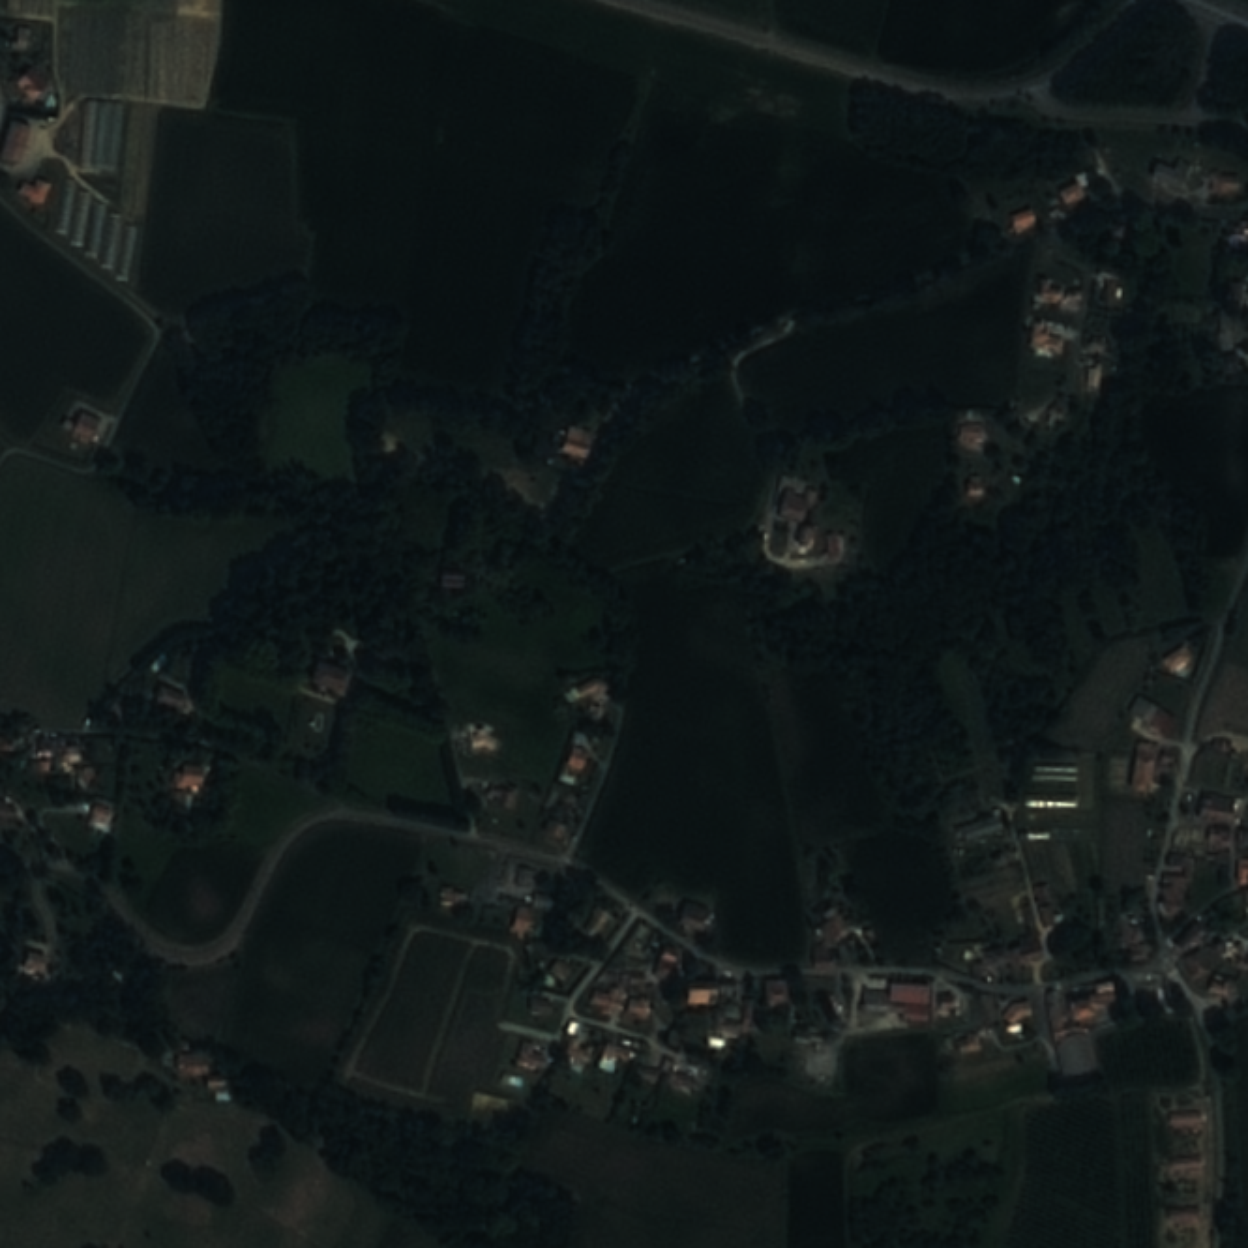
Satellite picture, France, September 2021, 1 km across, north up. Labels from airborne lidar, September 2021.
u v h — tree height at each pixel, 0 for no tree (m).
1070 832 0
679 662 0
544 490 0
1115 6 6
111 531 0
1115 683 0
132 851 0
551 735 0
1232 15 0
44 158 0
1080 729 0
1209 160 0
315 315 11
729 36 0
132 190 0
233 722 15
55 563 0
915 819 15
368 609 9
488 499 13
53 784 6
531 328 17
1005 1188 0
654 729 0
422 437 0
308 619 23
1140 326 21
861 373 0
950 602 26
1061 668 18
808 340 0
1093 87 13
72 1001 17
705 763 0
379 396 8
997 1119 0
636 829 0
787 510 0
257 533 0
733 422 0
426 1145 19
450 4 0
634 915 0
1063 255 0
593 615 0
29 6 0
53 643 0
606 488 0
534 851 0
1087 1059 0
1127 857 0
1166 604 0
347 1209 0
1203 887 0
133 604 0
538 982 6
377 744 0
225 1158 0
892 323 0
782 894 0
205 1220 0
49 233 0
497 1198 20
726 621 0
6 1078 0
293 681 21
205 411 26
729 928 0
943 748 7
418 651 13
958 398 0
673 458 0
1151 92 13
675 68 0
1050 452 7
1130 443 9
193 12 0
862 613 17
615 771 0
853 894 13
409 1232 0
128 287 0
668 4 0
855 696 9
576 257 21
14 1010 20
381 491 20
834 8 0
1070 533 17
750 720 0
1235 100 17
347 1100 12
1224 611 0
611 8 0
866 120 15
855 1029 0
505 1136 22
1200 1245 0
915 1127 0
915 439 0
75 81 0
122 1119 0
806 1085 0
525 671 0
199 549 0
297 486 18
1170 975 0
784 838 0
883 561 0
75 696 0
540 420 15
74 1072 9
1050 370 0
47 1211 0
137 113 0
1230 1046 15
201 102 0
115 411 0
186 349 14
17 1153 0
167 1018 11
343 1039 6
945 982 0
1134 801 0
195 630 8
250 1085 21
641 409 15
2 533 0
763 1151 13
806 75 0
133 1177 0
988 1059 0
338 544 24
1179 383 12
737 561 7
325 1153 7
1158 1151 0
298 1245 0
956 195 17
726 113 0
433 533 0
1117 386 15
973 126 9
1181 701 0
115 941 23
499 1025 0
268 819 0
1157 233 9
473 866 0
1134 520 16
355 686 9
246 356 20
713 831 0
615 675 13
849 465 0
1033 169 12
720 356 18
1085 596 15
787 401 0
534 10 0
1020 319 0
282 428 0
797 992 12
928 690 11
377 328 18
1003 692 11
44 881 14
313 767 8
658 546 0
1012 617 26
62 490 0
